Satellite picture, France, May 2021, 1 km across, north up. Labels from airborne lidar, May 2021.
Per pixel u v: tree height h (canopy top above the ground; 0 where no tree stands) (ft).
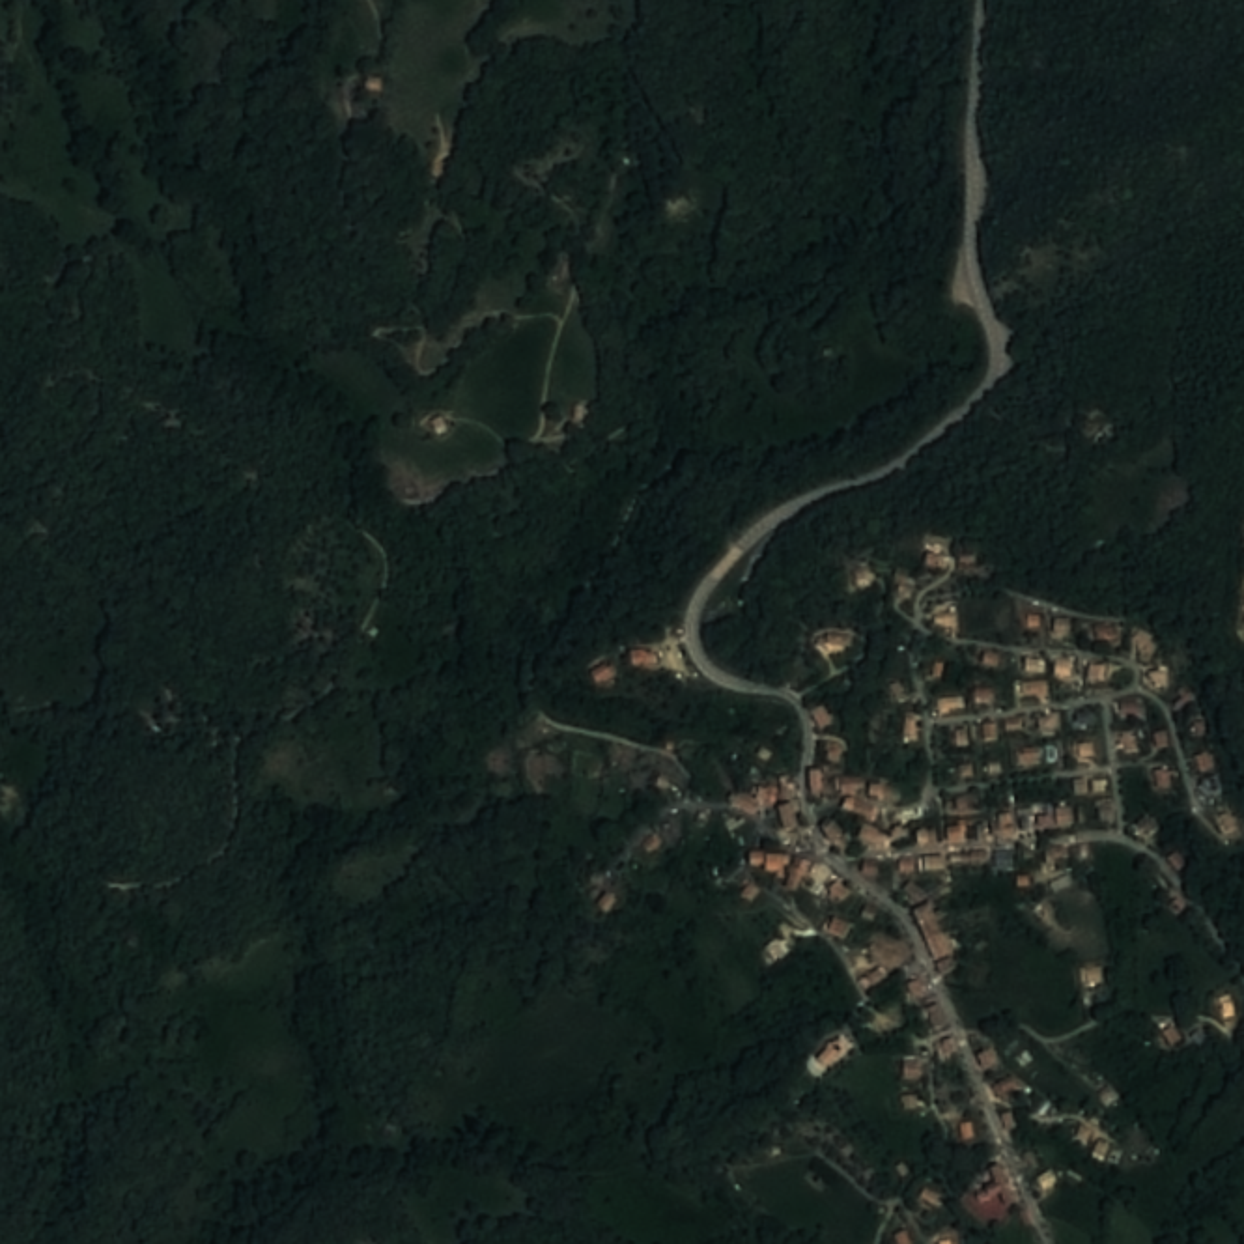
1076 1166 31
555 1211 41
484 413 0
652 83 64
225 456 29
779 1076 46
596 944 30
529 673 32
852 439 49
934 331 34
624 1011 20
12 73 24
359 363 0
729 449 20
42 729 38
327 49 25
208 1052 0
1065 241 26
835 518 35
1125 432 34
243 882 32
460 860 52
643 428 36
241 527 33
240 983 0
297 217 48
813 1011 35
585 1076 0
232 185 74
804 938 23
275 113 49
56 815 35
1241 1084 58
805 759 0
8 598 36
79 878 29
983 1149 39
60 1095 29
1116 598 50
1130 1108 29
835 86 62
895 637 51
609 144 46
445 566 22
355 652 43
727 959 0
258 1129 0
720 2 60
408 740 52
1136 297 24
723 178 43
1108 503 0
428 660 39
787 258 48
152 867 19
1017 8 23
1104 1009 47
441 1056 56
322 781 0
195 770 31
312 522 43
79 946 31
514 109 25
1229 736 47
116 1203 35
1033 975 0
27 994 38
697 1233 0
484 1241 31
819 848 52
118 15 20
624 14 26
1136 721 27
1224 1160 31
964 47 37
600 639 34
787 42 34
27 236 45
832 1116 47
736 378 31
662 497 39
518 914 42
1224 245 23
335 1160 69
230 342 58
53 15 71
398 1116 53
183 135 58
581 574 31
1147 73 22
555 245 30
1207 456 39
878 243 44
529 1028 0
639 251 48
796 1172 0
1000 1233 29
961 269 0
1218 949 33
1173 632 38
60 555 36
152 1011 47
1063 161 28
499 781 38
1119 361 41
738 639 35
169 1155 59
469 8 0
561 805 39
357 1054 31
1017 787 31
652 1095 0
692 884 22
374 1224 51
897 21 54
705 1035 0
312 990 65
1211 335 30
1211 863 39
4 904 44
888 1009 24
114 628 53
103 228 0
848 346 0
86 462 28
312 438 53
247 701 60
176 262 40
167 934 41
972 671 22
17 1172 32
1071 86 26
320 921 72
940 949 0
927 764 35
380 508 68
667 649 0
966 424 25
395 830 55
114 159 55
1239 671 21
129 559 41
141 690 57
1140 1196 44
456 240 54
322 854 74
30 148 0
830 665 0
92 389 33
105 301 40
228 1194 29
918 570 25
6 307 35
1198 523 38
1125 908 23
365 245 36
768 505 31
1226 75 21
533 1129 0
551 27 0
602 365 35
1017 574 46
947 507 22
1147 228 21
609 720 22
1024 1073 0
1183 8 19
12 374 41
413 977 33
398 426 36
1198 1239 47
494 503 19
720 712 30
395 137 33
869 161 43
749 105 41
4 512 38
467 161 40
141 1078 32
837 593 40
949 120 38
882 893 54
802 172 28
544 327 0
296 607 59
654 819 37
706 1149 51
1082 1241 0
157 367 36
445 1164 71
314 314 33
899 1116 0
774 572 32
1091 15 28
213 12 30
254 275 63
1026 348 43
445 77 0
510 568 37
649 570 25
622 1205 0
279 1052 0
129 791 32
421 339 21
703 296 67
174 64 43
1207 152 20
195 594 45
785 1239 28
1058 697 20
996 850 26
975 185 0
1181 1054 22
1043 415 25
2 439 24
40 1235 64
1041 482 34
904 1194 22
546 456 35
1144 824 0
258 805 44
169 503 40
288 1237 68
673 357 47
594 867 25
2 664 43
